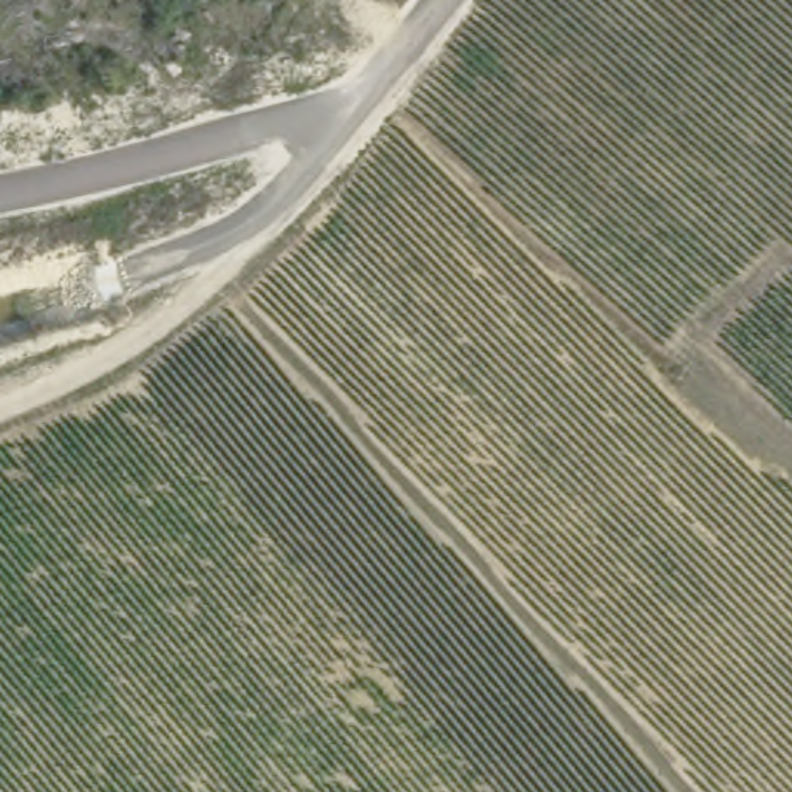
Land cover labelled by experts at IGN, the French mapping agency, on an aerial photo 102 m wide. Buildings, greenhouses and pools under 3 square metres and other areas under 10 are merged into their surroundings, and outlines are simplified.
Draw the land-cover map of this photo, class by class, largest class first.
<instances>
[{"label":"vineyard","instance_id":"1","mask_svg":"<svg viewBox=\"0 0 792 792\"><path fill-rule=\"evenodd\" d=\"M681 350L702 353L705 362L718 368L739 393H746L752 384H761L773 396L777 411L792 421V0H476L470 15L461 22V28L439 53V59L418 77L408 102L387 114L384 127L371 136L365 149H359L356 161L347 164L331 179V186L322 195H316L309 207L278 238H272L260 254H254L235 278H229L213 297H207L192 316H186L176 328H170L139 356L121 362L118 368L99 374L96 381L77 390L62 393L59 399H50L37 408L0 421V792H792V473L780 461H761L752 452H746L724 427L705 418L668 381L681 371L674 356Z\"/></svg>","mask_w":792,"mask_h":792},{"label":"impervious surface","instance_id":"2","mask_svg":"<svg viewBox=\"0 0 792 792\"><path fill-rule=\"evenodd\" d=\"M461 0H418V6L405 15L390 43L368 62L356 87L328 93L322 90L232 118L223 108H217L220 121L139 142L108 149L99 155L65 158L28 170L0 173V210L65 201L121 186H127L130 192L152 183L179 179V170H192L195 164H213L251 152L278 139L288 149V164L257 198H251L232 217L213 226H207L204 217H198L189 226L155 232L114 257L121 285L118 294L121 300H133L155 288H167L170 297L189 285L186 269L201 266L257 235L319 179L325 164L353 139V133L384 102V96L399 84V77L421 59V53L430 46L436 31L449 22Z\"/></svg>","mask_w":792,"mask_h":792},{"label":"pervious surface","instance_id":"3","mask_svg":"<svg viewBox=\"0 0 792 792\"><path fill-rule=\"evenodd\" d=\"M325 3H340L350 22L347 71L322 90L328 93L356 87L368 62L390 43L405 15L418 6V0H312V15H322ZM476 0H461L449 22L436 31L430 46L421 53V59L399 77V84L384 96V102L353 133V139L325 164L319 179L257 235L201 266L186 269L189 285L170 297L145 309L130 328H124L114 340L102 347L80 350L56 365L31 368L25 377L0 381V421L37 408L50 399H59L62 393L77 390L96 381L99 374L118 368L121 362L139 356L170 328H176L186 316H192L207 297H213L229 278H235L254 254H260L272 238H278L309 207L316 195H322L331 186V179L347 164L356 161L359 149H365L371 136L384 127L387 114L408 102L418 77L439 59V53L461 28V22L470 15ZM288 164V149L278 139L251 152L254 183L238 198L207 207L204 217L207 226H213L232 217L251 198H257ZM130 192L127 186H121L65 201L0 210V223L12 217L74 210ZM56 285L62 291V309H99L118 294L121 285L114 257L108 241L87 244L84 251L77 244H59L34 260H22L19 266L0 269V297ZM105 322L46 331L0 347V365L53 350L59 343L96 337L102 334Z\"/></svg>","mask_w":792,"mask_h":792},{"label":"coniferous trees","instance_id":"4","mask_svg":"<svg viewBox=\"0 0 792 792\"><path fill-rule=\"evenodd\" d=\"M74 6H84L90 19H102V34L96 46L114 50L111 65L102 71V77L111 80L108 96H121L130 87L142 96H201L198 105L179 111H164L158 105L130 111L133 121L155 118V124L130 130V136H139V142L220 121L217 108H223L232 118L322 90L347 71L350 22L340 3H325L322 15H312V0H71Z\"/></svg>","mask_w":792,"mask_h":792},{"label":"herbaceous vegetation","instance_id":"5","mask_svg":"<svg viewBox=\"0 0 792 792\"><path fill-rule=\"evenodd\" d=\"M179 179L152 183L130 192L74 210L12 217L0 223V269L19 266L22 260H34L59 244H77L84 251L87 244L108 241L114 257L155 232L189 226L198 217H204L207 207L238 198L254 183L251 152L213 164H195L192 170H179ZM170 297L167 288H155L133 300H121L118 294L99 309H62V291L56 285L0 297V347L46 331L105 322L102 334L96 337L59 343L53 350L0 365V381L25 377L31 368L56 365L80 350L102 347L114 340L124 328H130L145 309ZM681 371L668 381L705 418L724 427L746 452H752L761 461H780L792 473V421L777 411L773 396L761 384H752L746 393H739L718 368L705 362L702 353L681 350L674 356Z\"/></svg>","mask_w":792,"mask_h":792},{"label":"clear cut","instance_id":"6","mask_svg":"<svg viewBox=\"0 0 792 792\"><path fill-rule=\"evenodd\" d=\"M102 34V19H90L84 6H74L71 0H0V173L28 170L65 158L99 155L108 149L139 142V136H130V130L155 124V118L133 121L130 111L158 105L164 111H179L198 105L201 96H142L130 87L121 96H108L111 80L102 77V71L111 65L114 50L96 46Z\"/></svg>","mask_w":792,"mask_h":792}]
</instances>
